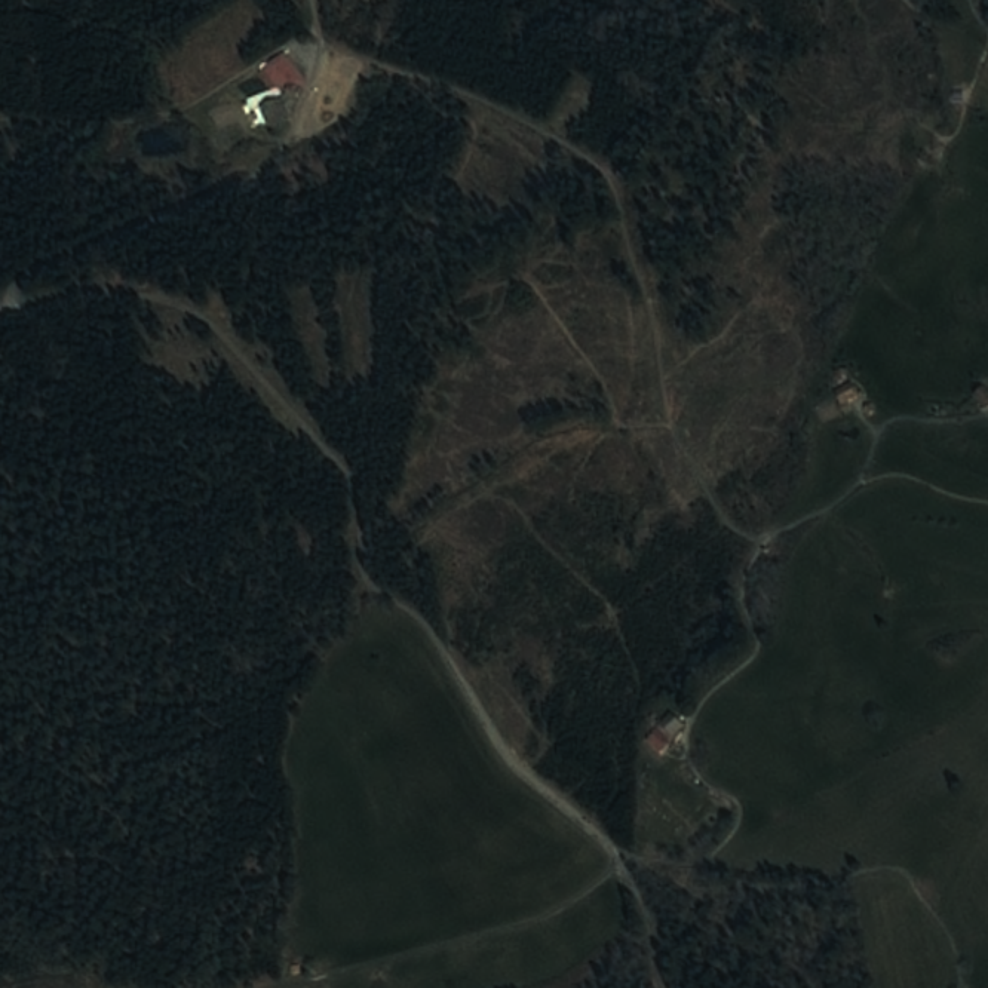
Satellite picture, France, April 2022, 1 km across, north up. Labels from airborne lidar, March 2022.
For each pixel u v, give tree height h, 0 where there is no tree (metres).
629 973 26
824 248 20
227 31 0
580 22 26
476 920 0
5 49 14
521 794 0
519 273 0
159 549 23
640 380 0
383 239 19
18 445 24
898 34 0
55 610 25
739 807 0
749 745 0
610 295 0
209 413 20
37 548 29
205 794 22
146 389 15
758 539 0
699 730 0
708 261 37
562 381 0
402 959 0
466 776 0
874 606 0
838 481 0
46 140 20
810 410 0
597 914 0
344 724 0
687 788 0
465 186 0
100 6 19
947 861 0
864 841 0
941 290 0
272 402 0
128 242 19
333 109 0
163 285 20
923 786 0
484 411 0
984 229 0
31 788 26
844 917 22
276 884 22
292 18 21
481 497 0
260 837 18
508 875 0
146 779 25
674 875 0
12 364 11
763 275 0
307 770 0
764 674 0
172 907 20
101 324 22
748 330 0
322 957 0
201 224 15
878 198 24
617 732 8
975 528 0
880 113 0
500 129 0
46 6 8
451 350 33
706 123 41
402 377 23
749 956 7
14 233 16
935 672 0
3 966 12
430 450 0
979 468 0
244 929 25
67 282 19
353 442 13
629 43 25
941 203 0
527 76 15
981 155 0
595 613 7
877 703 0
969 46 0
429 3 13
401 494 22
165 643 12
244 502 18
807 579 0
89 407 17
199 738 13
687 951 32
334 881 0
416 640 0
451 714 0
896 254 0
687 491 0
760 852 0
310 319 0
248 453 25
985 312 0
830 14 25
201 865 15
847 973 21
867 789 0
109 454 19
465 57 17
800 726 0
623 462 0
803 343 0
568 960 0
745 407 0
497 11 14
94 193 25
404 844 0
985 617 0
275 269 20
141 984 31
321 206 12
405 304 24
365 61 0
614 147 13
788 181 24
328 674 0
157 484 24
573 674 7
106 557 21
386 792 0
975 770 0
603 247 0
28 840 10
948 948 0
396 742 0
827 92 0
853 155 0
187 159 0
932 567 0
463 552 0
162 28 27
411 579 26
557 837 0
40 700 25
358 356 0
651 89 29
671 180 34
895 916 0
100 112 17
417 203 19
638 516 8
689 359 0
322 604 23
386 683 0
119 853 24
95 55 20
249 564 20
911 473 0
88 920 24
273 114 0
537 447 0
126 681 21
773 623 13
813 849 0
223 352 0
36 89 17
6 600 18
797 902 21
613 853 0
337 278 19
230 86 0
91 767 23
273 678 22
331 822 0
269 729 16
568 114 0
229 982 28
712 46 21
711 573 7
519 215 0
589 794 7
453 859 0
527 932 0
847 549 0
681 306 34
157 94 24
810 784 0
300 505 19
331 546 20
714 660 27
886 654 0
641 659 6
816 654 0
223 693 15
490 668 0
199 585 21
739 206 36
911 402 0
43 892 32
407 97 13
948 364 0
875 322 0
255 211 21
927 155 7
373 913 0
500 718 0
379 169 7
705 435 0
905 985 0
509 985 0
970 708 0
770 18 6
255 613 20
